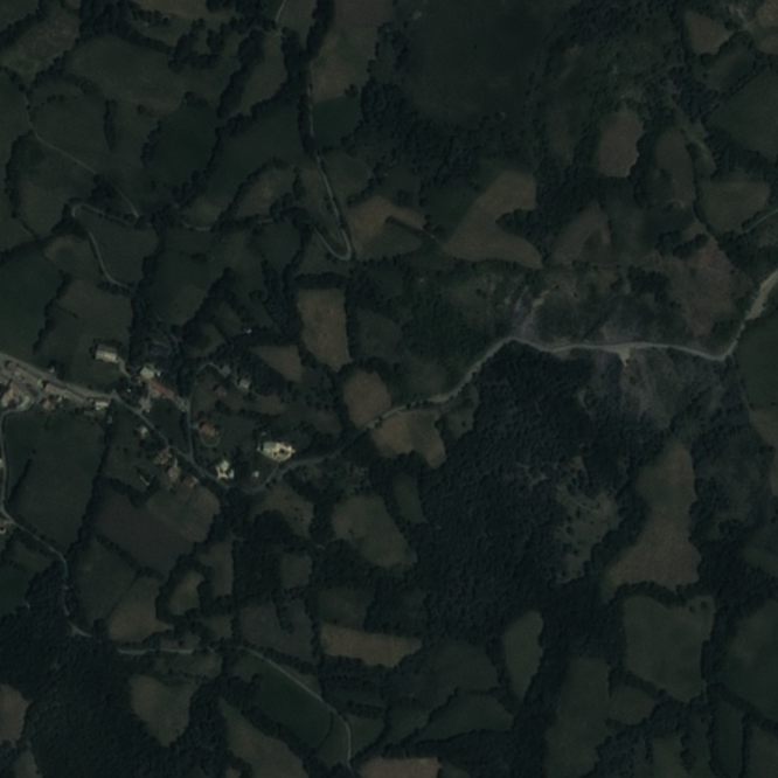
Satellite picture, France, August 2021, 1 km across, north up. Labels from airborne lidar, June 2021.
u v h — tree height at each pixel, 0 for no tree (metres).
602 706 0
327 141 0
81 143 0
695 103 14
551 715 13
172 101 0
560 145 0
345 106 0
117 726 17
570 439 15
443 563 11
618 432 11
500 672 9
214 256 0
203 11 0
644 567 0
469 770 12
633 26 9
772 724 13
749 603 21
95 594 0
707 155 0
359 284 12
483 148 10
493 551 17
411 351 8
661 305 8
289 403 7
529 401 12
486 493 16
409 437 0
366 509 0
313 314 0
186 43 14
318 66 0
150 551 0
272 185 0
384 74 0
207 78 0
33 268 0
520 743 17
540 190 7
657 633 0
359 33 0
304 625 0
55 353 0
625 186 14
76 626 11
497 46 0
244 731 0
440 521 12
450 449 14
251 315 8
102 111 0
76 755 16
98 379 0
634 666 0
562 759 0
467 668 0
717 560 21
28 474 7
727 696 14
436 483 11
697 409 7
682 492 0
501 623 14
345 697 0
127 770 17
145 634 0
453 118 0
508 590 14
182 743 11
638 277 7
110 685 15
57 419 0
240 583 14
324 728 0
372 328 0
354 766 14
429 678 0
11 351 0
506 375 19
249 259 0
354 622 0
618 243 9
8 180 10
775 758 0
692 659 0
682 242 15
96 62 0
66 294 9
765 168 11
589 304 0
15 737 0
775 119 0
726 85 0
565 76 0
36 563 0
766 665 0
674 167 0
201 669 0
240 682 13
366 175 0
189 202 10
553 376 15
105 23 17
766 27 0
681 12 10
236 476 12
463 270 8
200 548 15
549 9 0
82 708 15
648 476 0
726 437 7
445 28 0
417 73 0
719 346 0
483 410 11
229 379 6
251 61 10
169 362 10
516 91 0
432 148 7
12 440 0
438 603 12
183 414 8
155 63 0
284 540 15
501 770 6
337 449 7
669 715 10
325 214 0
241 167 0
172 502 0
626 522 11
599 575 12
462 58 0
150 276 15
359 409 0
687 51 11
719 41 0
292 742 18
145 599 0
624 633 14
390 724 13
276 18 0
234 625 11
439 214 0
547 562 16
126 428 0
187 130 0
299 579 0
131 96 0
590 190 15
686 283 0
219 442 0
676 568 0
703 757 0
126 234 0
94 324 0
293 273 12
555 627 18
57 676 8
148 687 0
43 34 0
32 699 11
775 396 0
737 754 0
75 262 0
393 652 0
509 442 12
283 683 0
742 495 0
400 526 12
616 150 0
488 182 0
